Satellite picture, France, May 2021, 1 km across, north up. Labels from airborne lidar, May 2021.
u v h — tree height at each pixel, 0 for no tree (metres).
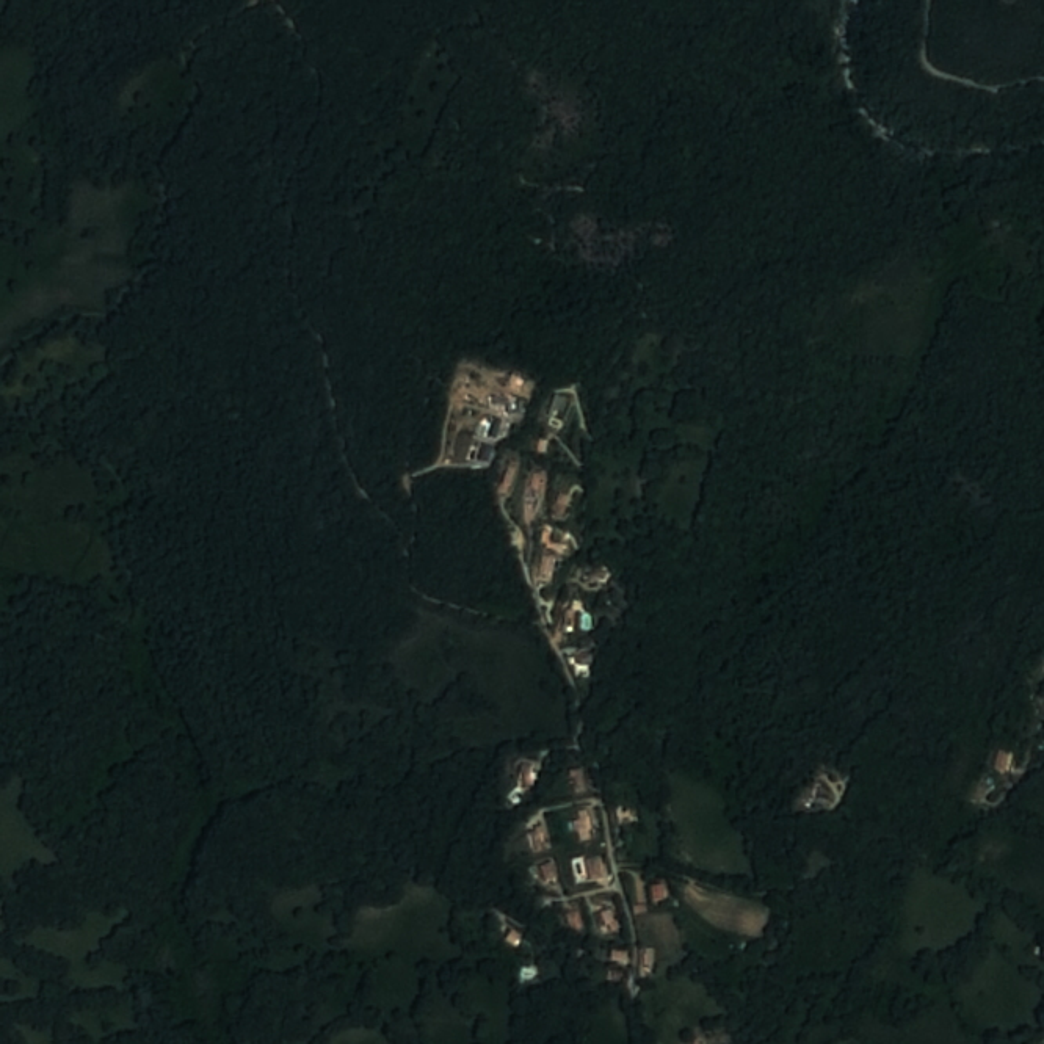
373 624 8
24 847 0
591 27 8
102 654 12
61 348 0
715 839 0
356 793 15
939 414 12
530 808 10
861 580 12
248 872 14
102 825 8
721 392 6
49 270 0
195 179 10
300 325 9
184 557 7
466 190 11
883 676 10
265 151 12
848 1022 11
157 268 15
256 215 8
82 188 0
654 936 0
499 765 7
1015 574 8
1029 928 12
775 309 10
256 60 8
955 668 6
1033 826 17
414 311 10
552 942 8
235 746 11
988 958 7
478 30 13
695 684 14
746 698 9
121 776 14
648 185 9
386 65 10
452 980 13
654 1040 11
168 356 12
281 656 10
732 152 14
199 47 8
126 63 10
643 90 13
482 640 0
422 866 11
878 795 15
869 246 14
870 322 0
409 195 9
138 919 15
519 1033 10
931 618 9
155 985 21
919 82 7
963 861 18
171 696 10
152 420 14
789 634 7
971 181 16
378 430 10
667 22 10
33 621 11
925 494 11
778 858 14
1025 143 18
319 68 11
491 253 10
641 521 16
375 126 11
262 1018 15
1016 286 7
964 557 8
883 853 11
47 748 9
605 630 12
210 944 10
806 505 6
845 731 7
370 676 8
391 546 9
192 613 13
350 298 8
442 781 13
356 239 10
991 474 9
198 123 14
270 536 7
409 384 9
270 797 17
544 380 8
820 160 12
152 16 11
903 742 10
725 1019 9
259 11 7
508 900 6
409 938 0
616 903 8
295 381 10
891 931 13
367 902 7
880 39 14
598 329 8
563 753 10
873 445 11
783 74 13
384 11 14
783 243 13
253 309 12
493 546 6
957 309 10
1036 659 19
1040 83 12
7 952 13
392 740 10
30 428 16
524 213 5
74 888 14
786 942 12
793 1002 8
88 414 7
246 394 11
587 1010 11
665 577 13
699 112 14
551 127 8
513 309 10
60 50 11
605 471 9
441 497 9
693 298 9
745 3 11
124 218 0
